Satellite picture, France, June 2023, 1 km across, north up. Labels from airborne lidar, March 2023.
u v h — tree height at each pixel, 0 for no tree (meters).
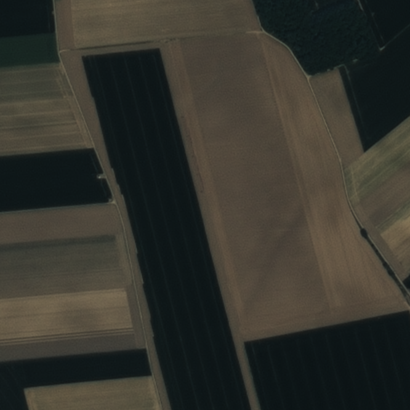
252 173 0
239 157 0
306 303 0
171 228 0
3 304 0
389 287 0
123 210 0
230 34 0
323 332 0
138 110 0
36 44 0
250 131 0
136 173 0
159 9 0
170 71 0
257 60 0
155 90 0
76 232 0
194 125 0
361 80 0
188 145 0
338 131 0
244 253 0
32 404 0
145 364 0
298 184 0
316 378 0
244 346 0
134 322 0
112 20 0
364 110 0
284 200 0
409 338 0
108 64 0
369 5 0
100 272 0
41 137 0
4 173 0
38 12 0
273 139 0
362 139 0
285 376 0
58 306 0
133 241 0
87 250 0
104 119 0
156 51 0
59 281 0
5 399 0
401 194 0
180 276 0
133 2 0
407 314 0
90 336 0
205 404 0
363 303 0
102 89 0
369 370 0
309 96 0
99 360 0
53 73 0
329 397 0
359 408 0
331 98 0
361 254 0
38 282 0
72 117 0
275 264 0
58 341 0
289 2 22
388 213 0
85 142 0
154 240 0
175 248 0
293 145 0
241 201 0
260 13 13
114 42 0
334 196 0
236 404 0
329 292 0
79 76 0
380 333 0
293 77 0
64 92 0
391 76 0
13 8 0
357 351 0
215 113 0
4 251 0
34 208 0
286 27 11
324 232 0
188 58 0
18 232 0
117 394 0
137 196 0
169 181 0
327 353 0
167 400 0
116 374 0
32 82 0
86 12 0
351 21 30
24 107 0
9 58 0
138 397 0
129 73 0
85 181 0
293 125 0
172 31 0
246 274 0
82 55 0
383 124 0
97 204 0
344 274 0
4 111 0
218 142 0
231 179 0
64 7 0
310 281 0
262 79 0
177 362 0
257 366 0
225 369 0
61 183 0
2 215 0
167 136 0
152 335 0
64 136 0
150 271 0
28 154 0
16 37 0
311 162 0
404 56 0
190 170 0
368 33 22
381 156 0
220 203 0
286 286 0
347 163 0
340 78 0
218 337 0
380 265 0
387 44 0
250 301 0
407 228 0
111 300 0
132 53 0
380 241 0
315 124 0
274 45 0
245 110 0
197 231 0
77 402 0
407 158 0
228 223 0
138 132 0
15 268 0
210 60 0
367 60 0
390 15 0
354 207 0
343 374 0
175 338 0
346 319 0
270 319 0
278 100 0
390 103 0
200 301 0
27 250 0
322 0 0
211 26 0
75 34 0
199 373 0
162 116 0
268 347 0
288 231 0
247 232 0
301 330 0
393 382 0
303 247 0
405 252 0
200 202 0
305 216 0
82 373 0
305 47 14
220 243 0
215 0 0
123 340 0
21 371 0
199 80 0
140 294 0
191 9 0
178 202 0
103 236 0
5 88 0
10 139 0
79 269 0
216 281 0
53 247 0
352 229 0
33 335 0
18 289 0
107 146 0
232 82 0
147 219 0
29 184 0
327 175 0
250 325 0
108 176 0
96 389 0
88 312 0
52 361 0
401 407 0
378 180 0
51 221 0
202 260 0
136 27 0
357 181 0
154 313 0
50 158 0
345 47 21
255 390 0
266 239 0
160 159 0
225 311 0
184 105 0
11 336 0
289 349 0
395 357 0
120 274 0
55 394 0
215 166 0
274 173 0
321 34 21
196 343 0
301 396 0
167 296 0
